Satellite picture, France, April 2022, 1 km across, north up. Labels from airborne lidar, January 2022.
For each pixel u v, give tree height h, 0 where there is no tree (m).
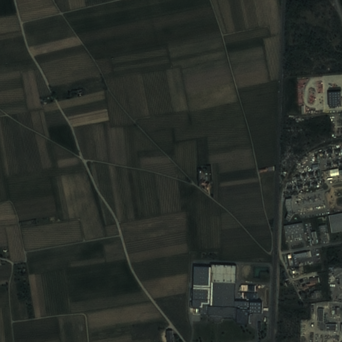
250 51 0
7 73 0
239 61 0
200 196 0
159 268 0
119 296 0
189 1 0
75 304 0
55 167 0
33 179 0
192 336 0
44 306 0
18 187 0
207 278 0
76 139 0
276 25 0
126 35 0
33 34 0
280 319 0
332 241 0
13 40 0
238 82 0
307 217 0
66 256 0
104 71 0
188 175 0
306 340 0
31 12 0
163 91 0
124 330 0
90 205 0
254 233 0
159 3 0
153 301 0
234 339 0
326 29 0
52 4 0
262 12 0
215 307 0
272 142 0
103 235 0
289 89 0
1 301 0
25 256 0
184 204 0
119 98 0
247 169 0
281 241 0
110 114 0
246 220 0
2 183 0
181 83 0
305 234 0
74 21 0
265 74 0
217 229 0
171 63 0
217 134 0
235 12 0
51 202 0
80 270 0
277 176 0
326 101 0
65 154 0
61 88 0
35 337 0
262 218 0
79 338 0
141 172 0
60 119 0
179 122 0
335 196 0
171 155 0
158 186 0
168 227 0
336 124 0
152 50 0
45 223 0
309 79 0
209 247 0
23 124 0
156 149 0
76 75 0
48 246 0
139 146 0
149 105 0
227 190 0
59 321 0
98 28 0
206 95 0
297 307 0
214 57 0
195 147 0
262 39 0
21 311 0
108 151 0
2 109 0
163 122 0
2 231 0
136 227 0
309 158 0
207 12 0
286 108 0
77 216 0
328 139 0
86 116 0
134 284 0
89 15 0
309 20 0
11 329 0
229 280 0
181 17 0
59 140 0
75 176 0
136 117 0
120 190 0
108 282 0
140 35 0
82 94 10
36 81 0
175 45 0
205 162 0
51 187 0
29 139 0
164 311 0
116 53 0
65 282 0
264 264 0
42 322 0
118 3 0
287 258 0
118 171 0
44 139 0
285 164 0
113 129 0
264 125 0
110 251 0
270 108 0
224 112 0
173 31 0
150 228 0
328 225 0
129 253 0
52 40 0
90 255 0
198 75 0
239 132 0
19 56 0
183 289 0
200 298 0
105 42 0
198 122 0
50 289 0
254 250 0
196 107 0
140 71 0
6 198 0
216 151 0
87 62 0
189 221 0
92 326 0
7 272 0
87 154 0
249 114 0
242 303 0
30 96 0
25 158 0
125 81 0
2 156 0
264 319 0
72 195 0
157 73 0
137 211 0
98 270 0
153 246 0
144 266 0
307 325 0
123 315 0
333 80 0
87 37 0
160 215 0
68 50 0
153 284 0
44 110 0
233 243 0
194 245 0
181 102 0
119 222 0
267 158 0
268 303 0
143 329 0
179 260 0
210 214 0
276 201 0
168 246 0
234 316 0
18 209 0
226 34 0
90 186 0
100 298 0
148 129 0
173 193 0
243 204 0
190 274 0
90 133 0
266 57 0
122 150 0
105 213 0
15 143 0
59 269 0
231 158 0
